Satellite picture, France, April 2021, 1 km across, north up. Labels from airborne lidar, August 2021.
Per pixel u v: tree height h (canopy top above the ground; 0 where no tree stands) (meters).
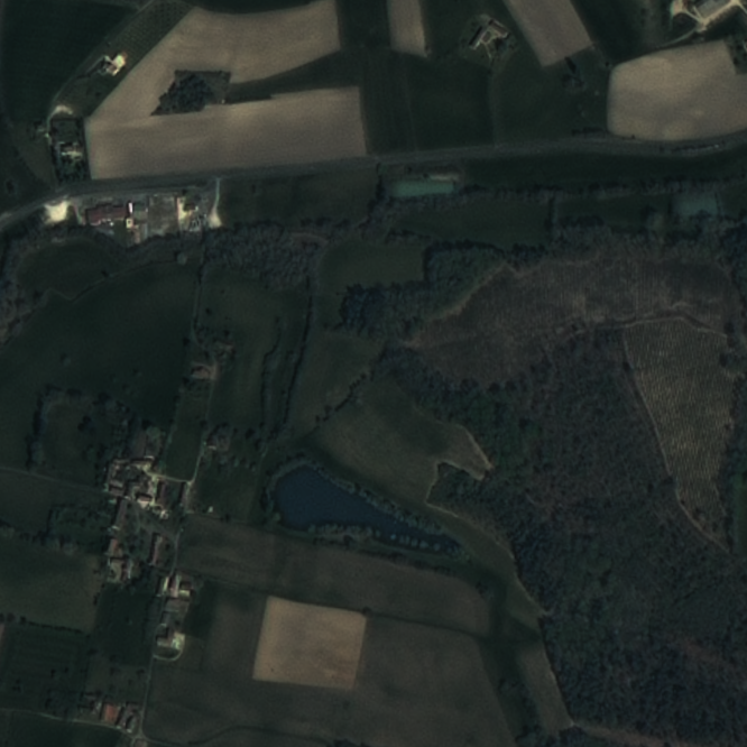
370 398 0
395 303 16
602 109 0
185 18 0
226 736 0
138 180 0
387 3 0
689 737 22
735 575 7
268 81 0
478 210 0
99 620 0
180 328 0
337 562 0
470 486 17
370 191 0
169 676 0
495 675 0
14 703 0
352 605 0
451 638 0
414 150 0
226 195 0
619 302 0
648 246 25
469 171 0
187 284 0
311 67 0
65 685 0
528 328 0
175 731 0
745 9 0
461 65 0
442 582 0
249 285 0
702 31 0
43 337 0
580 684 22
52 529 8
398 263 0
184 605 0
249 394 0
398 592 0
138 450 0
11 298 21
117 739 0
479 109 0
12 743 0
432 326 0
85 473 0
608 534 14
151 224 0
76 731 0
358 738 0
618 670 17
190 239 15
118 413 15
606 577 11
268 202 0
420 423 0
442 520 0
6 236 0
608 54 0
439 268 23
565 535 18
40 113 0
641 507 7
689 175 0
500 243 0
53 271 0
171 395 0
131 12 0
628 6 0
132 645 0
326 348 0
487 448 19
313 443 0
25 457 0
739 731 21
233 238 10
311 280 11
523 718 0
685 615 13
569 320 0
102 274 0
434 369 0
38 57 0
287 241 9
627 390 10
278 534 0
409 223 0
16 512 0
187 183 0
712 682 13
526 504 16
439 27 0
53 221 0
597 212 0
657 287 0
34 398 0
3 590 0
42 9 0
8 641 0
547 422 8
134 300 0
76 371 0
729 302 0
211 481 0
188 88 8
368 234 15
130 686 9
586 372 10
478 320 0
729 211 0
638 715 10
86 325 0
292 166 0
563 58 0
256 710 0
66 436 0
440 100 0
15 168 0
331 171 0
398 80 0
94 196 0
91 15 0
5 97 0
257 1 0
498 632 0
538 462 11
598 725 14
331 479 7
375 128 0
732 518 17
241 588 0
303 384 0
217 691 0
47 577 0
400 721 0
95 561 0
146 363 0
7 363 0
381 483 0
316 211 0
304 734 0
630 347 0
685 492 0
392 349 16
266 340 0
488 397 10
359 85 0
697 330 0
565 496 10
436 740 0
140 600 0
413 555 0
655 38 0
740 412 17
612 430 10
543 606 17
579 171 0
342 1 0
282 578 0
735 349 22
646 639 18
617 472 8
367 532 15
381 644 0
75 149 0
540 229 0
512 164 0
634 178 0
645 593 15
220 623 0
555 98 0
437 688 0
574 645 20
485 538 0
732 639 10
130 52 0
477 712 0
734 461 22
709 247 24
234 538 0
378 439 0
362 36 0
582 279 0
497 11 0
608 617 29
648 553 11
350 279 0
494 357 0
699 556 9
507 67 0
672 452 0
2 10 0
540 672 0
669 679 12
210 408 0
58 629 6
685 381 0
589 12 0
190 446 0
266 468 0
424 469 0
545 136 0
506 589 0
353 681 0
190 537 0
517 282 0
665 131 0
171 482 0
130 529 13
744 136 0
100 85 0
